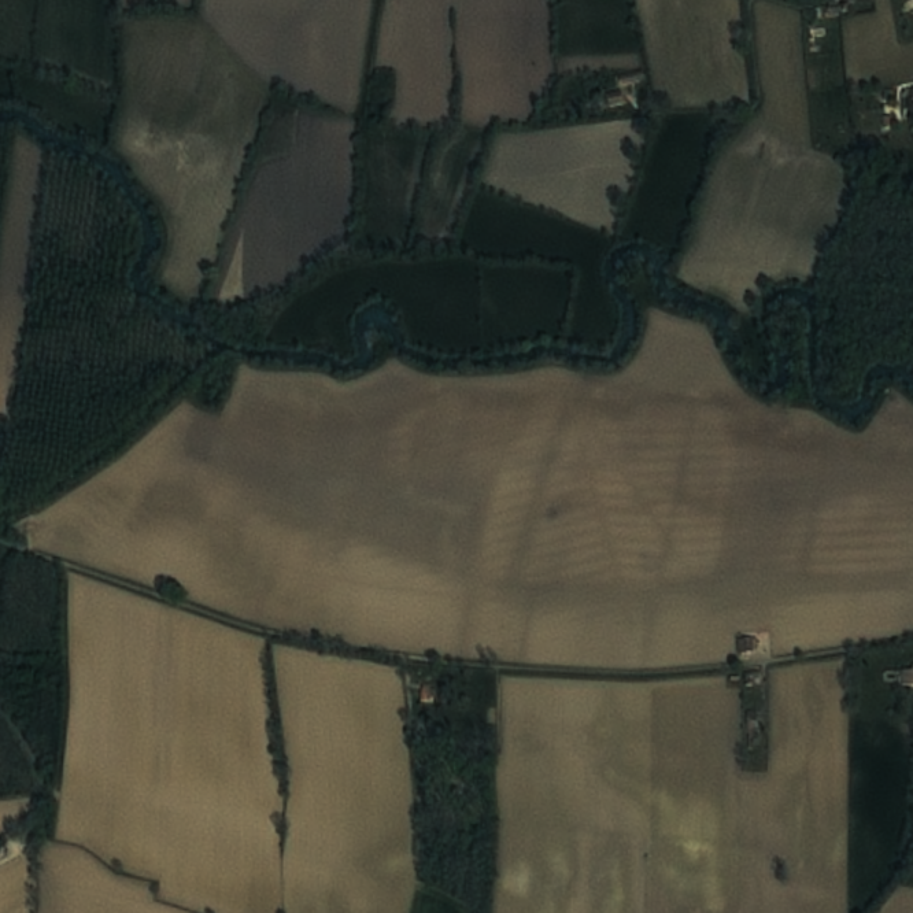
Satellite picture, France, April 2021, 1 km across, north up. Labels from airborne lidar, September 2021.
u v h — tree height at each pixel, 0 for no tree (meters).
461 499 0
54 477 26
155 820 0
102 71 0
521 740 0
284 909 0
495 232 0
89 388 23
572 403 0
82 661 0
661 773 0
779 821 0
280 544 0
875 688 0
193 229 0
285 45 0
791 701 0
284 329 0
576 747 0
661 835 0
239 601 0
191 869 0
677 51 0
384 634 0
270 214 0
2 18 0
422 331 0
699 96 0
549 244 0
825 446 0
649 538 0
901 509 0
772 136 0
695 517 0
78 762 0
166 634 0
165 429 0
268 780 0
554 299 0
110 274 23
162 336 31
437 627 0
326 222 0
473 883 20
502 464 0
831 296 16
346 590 0
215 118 0
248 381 0
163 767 0
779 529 0
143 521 0
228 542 0
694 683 0
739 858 0
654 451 0
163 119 0
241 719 0
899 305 18
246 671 0
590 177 0
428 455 0
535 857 0
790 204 0
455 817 25
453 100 14
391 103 10
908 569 0
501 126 13
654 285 10
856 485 0
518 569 0
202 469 0
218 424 0
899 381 10
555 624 0
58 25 0
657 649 0
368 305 8
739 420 0
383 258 17
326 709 0
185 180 0
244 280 0
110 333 26
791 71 0
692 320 17
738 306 0
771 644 0
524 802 0
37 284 20
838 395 29
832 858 0
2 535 9
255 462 0
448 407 0
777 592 0
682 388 0
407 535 0
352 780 0
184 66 0
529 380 0
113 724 0
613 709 0
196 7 7
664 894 0
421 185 8
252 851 0
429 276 0
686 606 0
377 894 0
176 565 0
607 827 0
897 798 0
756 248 0
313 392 0
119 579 0
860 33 0
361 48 0
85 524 0
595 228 0
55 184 27
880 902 14
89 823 0
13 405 12
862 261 16
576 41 0
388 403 0
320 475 0
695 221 7
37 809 19
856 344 18
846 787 0
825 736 0
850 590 0
